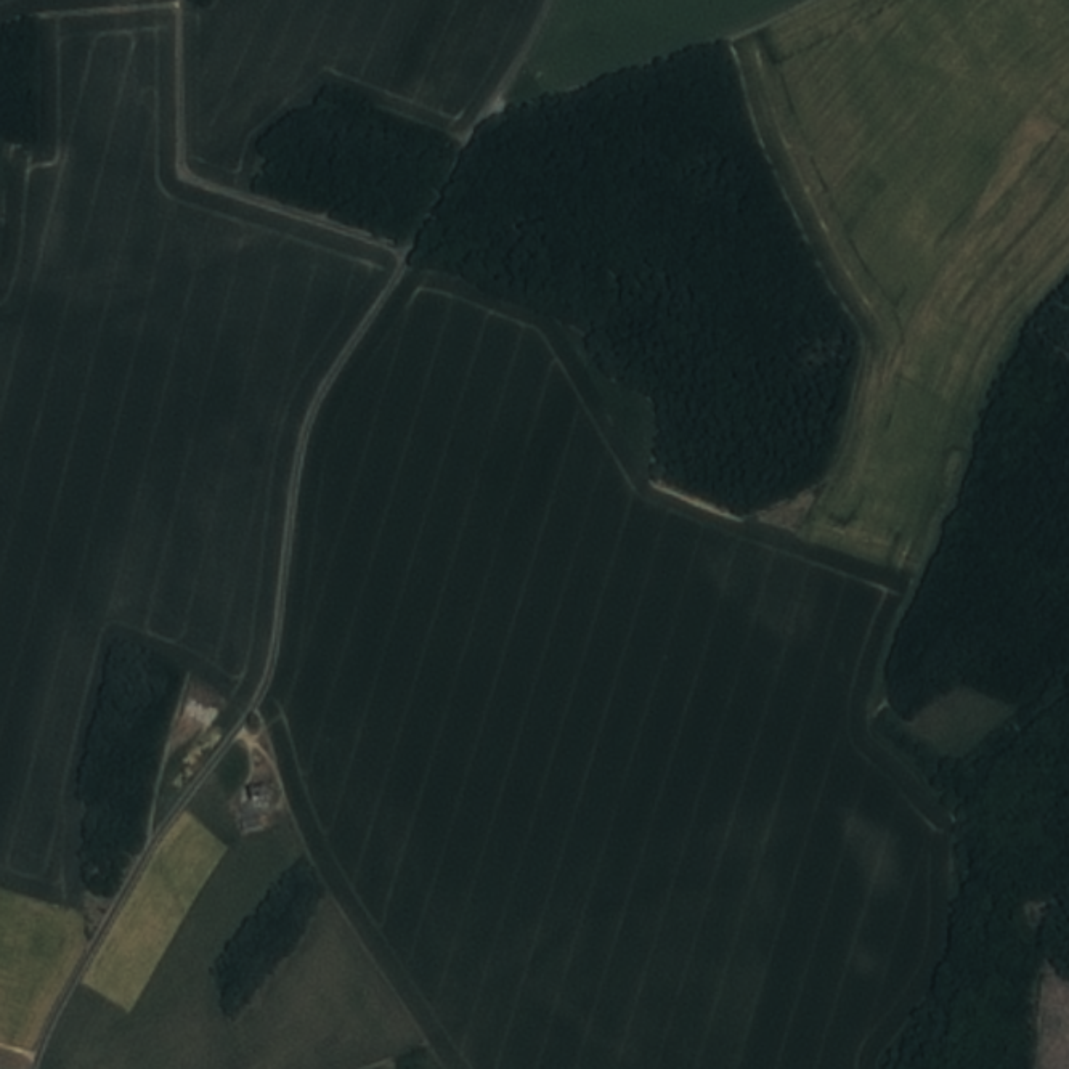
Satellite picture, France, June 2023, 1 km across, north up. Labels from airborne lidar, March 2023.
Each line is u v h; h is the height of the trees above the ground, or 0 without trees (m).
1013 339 0
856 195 0
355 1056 0
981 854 16
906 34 0
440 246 9
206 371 0
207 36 0
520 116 14
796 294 21
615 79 16
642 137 20
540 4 0
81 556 0
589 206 23
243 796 0
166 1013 0
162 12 0
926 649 13
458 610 0
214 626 0
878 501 0
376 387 0
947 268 0
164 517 0
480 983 0
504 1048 0
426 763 0
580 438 0
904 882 0
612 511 0
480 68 0
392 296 0
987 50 0
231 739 0
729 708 0
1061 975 19
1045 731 15
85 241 0
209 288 0
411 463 0
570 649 0
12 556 0
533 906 0
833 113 0
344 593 0
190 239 0
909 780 0
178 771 0
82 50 0
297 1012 0
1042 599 14
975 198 0
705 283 22
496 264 21
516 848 0
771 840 0
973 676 20
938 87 0
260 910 10
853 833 0
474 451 0
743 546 0
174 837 0
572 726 0
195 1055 0
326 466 0
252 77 0
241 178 0
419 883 0
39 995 0
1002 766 16
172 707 9
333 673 0
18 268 0
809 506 0
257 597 0
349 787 0
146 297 0
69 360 0
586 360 0
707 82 22
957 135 0
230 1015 14
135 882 0
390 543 0
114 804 15
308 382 0
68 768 0
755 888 0
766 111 0
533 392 0
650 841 0
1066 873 21
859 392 0
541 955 0
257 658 0
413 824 0
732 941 0
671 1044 0
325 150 20
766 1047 0
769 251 22
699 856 0
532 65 0
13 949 0
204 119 0
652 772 0
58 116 0
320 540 0
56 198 0
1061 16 0
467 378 0
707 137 20
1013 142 0
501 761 0
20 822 0
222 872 0
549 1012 0
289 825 0
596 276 22
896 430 0
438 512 0
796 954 0
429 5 0
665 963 0
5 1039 0
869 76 0
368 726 0
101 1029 0
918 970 0
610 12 0
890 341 0
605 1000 0
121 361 0
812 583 0
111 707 17
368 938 0
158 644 0
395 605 0
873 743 0
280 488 0
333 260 0
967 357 0
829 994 0
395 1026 0
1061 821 21
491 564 0
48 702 0
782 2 0
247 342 0
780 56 0
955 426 0
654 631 0
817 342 21
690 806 0
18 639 0
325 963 0
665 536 0
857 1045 0
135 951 0
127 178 0
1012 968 18
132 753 16
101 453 0
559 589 0
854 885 0
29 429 0
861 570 0
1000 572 16
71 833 0
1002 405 13
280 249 0
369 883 0
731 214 22
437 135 10
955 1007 16
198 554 0
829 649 0
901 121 0
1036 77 0
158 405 0
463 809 0
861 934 0
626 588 0
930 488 0
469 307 0
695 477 10
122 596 0
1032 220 0
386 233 18
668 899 0
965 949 22
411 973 0
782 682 0
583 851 0
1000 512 14
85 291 0
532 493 0
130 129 0
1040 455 16
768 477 17
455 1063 0
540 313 14
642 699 0
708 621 0
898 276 0
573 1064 0
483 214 22
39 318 0
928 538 0
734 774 0
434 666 0
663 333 20
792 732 0
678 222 20
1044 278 0
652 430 0
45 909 0
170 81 0
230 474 0
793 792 0
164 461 0
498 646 0
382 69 0
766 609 0
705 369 18
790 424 9
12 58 15
